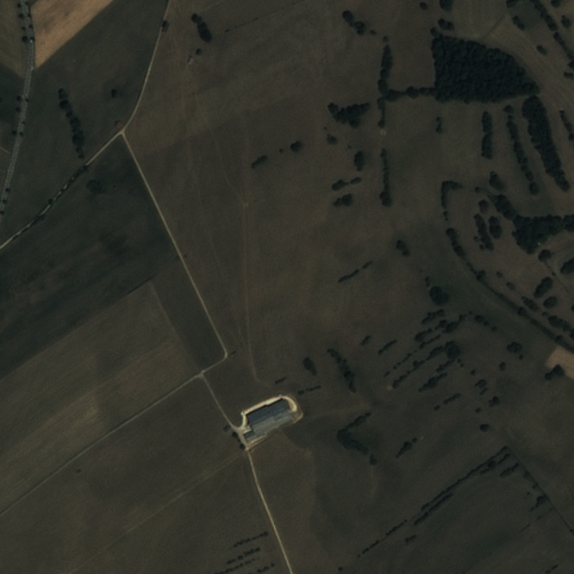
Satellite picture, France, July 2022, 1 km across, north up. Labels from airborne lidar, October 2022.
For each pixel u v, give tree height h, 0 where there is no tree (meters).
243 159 0
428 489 0
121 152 0
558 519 0
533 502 0
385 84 15
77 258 0
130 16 0
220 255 0
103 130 0
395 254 0
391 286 0
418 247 0
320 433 0
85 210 0
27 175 0
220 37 0
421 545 0
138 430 0
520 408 0
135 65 0
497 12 0
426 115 0
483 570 0
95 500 0
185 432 0
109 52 0
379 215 0
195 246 0
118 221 0
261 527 0
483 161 0
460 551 0
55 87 0
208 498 0
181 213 0
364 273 0
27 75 0
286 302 0
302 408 0
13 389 0
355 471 0
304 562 0
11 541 0
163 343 0
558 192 0
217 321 0
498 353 0
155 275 0
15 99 0
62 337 0
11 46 0
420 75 0
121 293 0
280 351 0
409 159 0
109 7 0
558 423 0
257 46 0
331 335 0
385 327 0
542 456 0
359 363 0
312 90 0
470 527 0
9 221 0
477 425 0
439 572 0
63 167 0
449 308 0
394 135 0
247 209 0
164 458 0
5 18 0
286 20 0
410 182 0
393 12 0
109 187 0
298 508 0
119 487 0
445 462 0
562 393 0
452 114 0
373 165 0
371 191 0
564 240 0
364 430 0
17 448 0
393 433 0
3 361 0
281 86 0
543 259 13
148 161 0
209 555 0
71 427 0
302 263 0
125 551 0
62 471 0
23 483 0
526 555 0
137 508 0
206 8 0
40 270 0
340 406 0
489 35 0
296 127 0
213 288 0
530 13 0
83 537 0
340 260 0
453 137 0
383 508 0
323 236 0
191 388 0
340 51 0
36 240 0
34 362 0
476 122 0
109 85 0
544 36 0
